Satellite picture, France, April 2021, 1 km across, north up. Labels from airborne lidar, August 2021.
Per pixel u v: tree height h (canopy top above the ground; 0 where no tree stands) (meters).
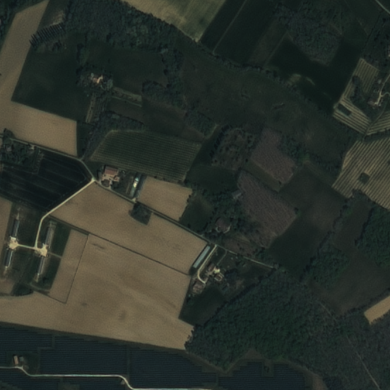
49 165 0
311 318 20
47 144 0
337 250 10
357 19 0
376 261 16
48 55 0
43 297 0
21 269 0
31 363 0
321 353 19
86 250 0
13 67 0
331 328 16
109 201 0
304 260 0
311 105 12
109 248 0
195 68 13
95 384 0
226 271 0
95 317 0
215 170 0
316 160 14
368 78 0
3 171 0
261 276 0
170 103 13
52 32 0
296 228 0
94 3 24
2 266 0
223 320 19
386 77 8
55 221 0
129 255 0
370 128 0
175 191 0
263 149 23
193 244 0
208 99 0
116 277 0
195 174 0
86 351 0
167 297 0
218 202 9
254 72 11
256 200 27
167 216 0
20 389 0
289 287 16
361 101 13
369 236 18
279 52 0
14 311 0
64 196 0
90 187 0
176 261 0
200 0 0
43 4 0
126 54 0
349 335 15
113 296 0
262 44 0
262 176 0
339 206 0
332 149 0
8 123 0
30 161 10
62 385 0
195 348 18
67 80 0
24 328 0
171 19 0
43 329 0
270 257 16
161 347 0
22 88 0
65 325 0
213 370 0
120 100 0
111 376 0
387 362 15
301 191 0
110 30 20
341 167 12
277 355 16
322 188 0
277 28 0
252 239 14
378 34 6
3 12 17
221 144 18
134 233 0
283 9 15
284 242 0
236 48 0
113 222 0
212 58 18
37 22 0
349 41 0
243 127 9
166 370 0
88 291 0
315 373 14
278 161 26
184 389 0
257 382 0
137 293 0
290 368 0
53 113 0
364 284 0
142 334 0
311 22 18
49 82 0
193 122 16
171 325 0
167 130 0
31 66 0
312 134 23
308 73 0
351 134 16
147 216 9
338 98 0
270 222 25
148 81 0
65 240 0
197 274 0
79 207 0
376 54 0
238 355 18
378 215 20
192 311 0
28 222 0
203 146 0
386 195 0
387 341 12
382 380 17
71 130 0
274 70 0
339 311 0
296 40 14
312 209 0
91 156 9
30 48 0
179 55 21
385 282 0
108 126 19
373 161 0
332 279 18
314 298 14
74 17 25
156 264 0
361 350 15
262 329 21
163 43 20
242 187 21
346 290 0
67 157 0
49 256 0
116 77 0
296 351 20
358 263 0
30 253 0
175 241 0
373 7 0
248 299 20
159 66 0
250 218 15
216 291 0
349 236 0
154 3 0
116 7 29
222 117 0
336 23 6
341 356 18
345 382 16
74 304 0
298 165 17
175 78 10
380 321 12
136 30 28
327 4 0
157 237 0
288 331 20
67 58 0
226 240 10
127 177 0
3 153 9
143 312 0
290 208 22
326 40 22
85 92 0
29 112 0
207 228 10
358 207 0
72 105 0
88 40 15
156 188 0
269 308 21
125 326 0
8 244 0
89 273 0
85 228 0
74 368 0
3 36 24
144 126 16
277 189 0
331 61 10
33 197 0
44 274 0
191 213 0
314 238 0
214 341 10
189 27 0
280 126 0
